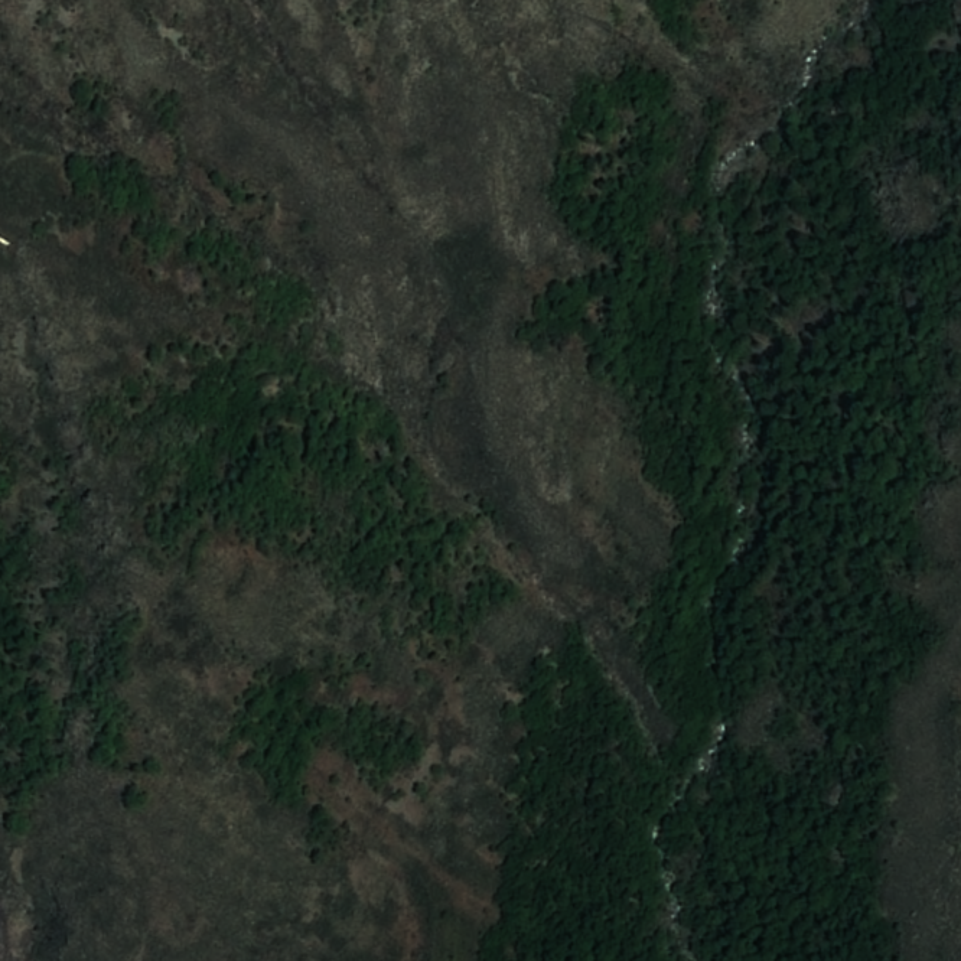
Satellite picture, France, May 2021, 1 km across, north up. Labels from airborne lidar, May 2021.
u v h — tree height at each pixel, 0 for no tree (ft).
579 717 38
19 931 0
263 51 0
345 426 76
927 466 27
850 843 55
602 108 74
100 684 37
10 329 0
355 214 0
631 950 78
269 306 41
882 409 61
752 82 0
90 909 0
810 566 85
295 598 0
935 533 0
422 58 0
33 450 31
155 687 0
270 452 100
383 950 0
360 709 19
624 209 67
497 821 0
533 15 0
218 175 46
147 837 0
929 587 0
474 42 0
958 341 0
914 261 47
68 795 0
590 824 58
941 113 32
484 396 0
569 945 81
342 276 0
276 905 0
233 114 0
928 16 47
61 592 49
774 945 70
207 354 57
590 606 0
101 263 0
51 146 0
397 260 0
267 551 41
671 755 30
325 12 0
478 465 0
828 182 67
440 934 0
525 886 36
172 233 44
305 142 0
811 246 82
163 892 0
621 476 0
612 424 0
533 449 0
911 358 90
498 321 0
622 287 111
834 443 91
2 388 0
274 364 61
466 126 0
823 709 67
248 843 0
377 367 0
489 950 37
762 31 0
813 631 68
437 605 65
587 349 32
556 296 69
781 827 85
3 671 77
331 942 0
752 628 68
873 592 33
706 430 78
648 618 50
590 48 0
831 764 22
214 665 0
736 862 75
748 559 55
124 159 34
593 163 89
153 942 0
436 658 57
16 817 46
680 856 33
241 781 0
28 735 53
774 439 85
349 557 26
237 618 0
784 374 116
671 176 0
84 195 26
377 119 0
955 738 0
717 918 79
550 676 65
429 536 67
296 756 70
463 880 0
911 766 0
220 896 0
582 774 47
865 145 32
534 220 0
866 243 56
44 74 0
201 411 37
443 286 0
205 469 31
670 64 0
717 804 36
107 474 0
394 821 0
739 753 23
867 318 75
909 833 0
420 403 0
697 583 76
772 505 28
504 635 0
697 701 50
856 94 43
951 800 0
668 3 33
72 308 0
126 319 0
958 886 0
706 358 28
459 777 0
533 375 0
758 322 72
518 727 0
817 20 0
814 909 82
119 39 0
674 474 30
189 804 0
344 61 0
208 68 0
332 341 25
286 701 95
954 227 63
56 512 48
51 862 0
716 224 33
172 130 21
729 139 0
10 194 0
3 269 0
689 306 55
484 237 0
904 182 0
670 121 49
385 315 0
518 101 0
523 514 0
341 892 0
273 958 0
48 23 18
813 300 81
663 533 0
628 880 44
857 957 49
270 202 52
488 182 0
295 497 43
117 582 0
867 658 26
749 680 60
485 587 67
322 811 75
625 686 28
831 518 80
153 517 54
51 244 0
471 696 0
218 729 0
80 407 0
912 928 0
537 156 0
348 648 0
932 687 0
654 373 38
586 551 0
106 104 58
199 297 37
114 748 66
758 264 73
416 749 82
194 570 34
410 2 0
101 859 0
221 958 0
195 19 0
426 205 0
